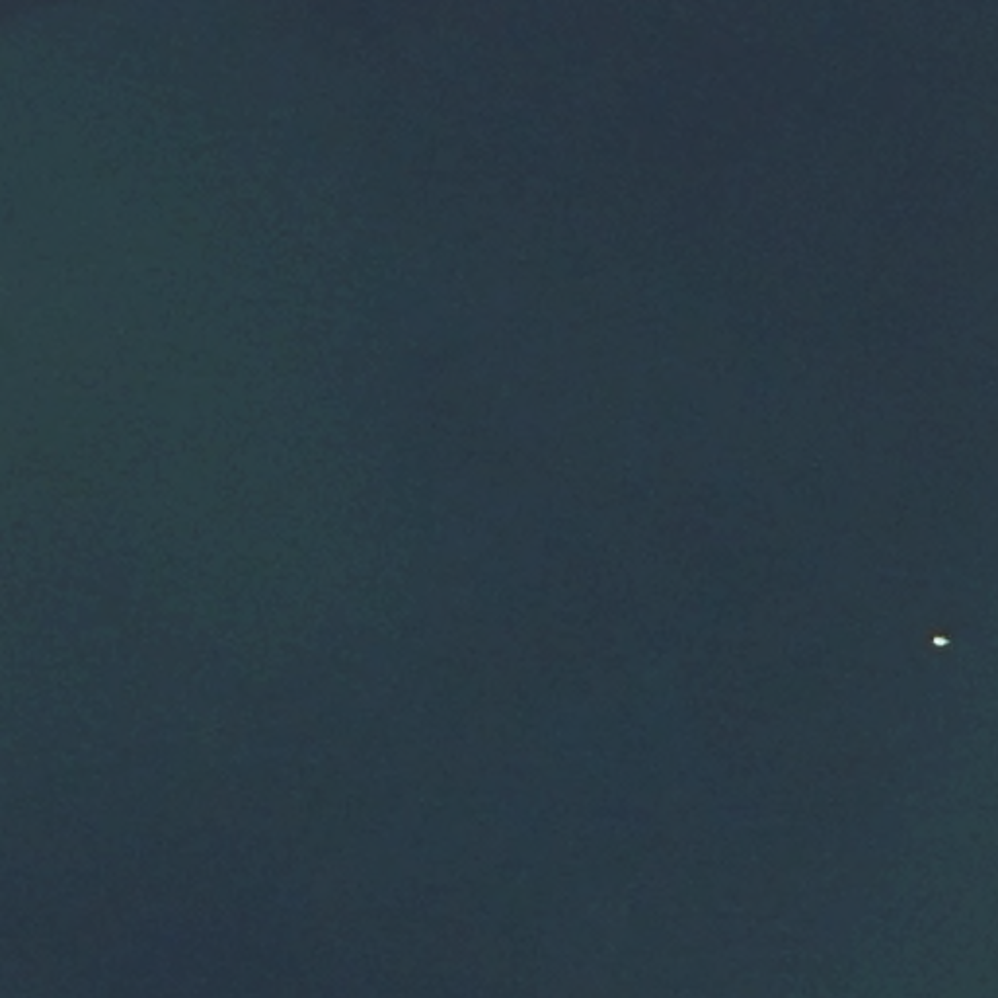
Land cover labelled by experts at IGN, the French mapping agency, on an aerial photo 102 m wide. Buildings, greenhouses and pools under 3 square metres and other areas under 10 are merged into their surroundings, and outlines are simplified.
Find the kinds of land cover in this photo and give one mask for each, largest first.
<instances>
[{"label":"water","instance_id":"1","mask_svg":"<svg viewBox=\"0 0 998 998\"><path fill-rule=\"evenodd\" d=\"M0 998H998V0H0Z\"/></svg>","mask_w":998,"mask_h":998}]
</instances>
